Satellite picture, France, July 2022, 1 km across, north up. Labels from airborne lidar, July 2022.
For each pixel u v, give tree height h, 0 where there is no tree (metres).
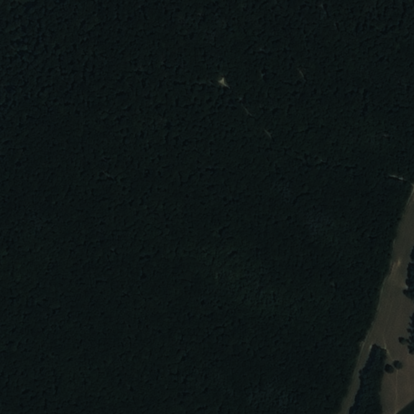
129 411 27
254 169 26
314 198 25
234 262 18
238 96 26
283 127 22
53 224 24
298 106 24
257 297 21
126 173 29
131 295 25
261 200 27
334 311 29
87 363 27
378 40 26
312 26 29
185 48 23
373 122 27
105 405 23
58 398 29
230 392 29
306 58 29
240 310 29
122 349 27
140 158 30
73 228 25
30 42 31
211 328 27
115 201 27
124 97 29
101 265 27
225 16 26
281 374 29
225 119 24
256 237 26
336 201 25
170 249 28
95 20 26
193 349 28
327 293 26
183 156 27
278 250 24
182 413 27
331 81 29
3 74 30
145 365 26
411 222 0
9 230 26
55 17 29
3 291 27
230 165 28
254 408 23
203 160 30
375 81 25
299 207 21
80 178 25
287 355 24
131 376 27
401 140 26
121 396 27
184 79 30
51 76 28
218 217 25
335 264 30
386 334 0
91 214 29
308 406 26
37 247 24
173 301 26
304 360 30
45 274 27
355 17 26
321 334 31
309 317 26
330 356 32
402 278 0
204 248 25
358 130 24
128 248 30
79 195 26
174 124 29
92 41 28
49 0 31
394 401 0
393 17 26
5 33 30
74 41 31
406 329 0
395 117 29
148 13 28
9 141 28
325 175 30
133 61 27
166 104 26
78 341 29
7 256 29
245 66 27
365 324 25
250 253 26
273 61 29
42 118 28
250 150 25
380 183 27
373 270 27
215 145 28
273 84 27
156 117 27
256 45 30
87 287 27
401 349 0
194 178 30
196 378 23
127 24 29
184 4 27
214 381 26
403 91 29
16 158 25
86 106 27
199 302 28
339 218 27
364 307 27
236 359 26
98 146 26
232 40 28
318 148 27
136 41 28
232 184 26
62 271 28
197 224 26
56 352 22
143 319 25
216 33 27
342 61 26
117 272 29
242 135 27
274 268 24
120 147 23
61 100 29
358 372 0
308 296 27
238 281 17
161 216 26
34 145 29
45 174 27
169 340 27
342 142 20
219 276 13
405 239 0
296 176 27
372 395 23
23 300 29
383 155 26
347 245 25
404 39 29
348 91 31
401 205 27
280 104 25
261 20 23
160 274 28
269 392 35
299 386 28
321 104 29
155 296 25
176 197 28
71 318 23
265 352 30
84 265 24
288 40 30
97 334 29
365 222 25
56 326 26
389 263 19
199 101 20
